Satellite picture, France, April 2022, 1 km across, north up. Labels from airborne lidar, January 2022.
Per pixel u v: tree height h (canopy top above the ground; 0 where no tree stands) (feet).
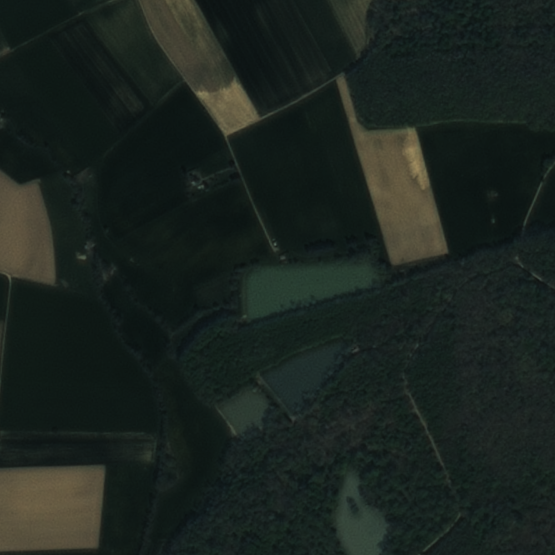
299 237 0
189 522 58
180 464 0
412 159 0
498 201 0
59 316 0
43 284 0
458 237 0
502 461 56
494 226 0
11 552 0
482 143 0
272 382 0
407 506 93
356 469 80
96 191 0
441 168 0
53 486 0
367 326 48
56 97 0
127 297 0
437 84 70
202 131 0
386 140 0
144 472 0
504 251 64
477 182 0
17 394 0
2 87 0
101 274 64
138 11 0
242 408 0
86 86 0
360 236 0
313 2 0
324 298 0
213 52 0
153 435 0
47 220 0
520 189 0
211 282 0
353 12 0
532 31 67
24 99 0
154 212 0
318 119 0
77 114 0
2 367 0
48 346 0
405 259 0
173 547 71
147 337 0
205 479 0
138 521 0
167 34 0
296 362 0
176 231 0
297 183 0
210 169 0
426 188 0
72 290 0
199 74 0
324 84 0
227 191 0
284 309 33
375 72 71
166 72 0
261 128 0
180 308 0
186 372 67
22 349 0
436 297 75
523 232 0
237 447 70
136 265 0
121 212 0
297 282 0
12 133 0
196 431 0
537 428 72
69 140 0
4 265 0
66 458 0
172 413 0
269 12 0
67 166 0
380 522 0
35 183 0
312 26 0
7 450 0
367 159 0
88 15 0
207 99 0
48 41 0
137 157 0
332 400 41
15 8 0
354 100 48
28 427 0
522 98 72
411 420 51
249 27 0
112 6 0
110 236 0
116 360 0
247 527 84
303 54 0
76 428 0
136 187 0
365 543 0
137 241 0
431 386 42
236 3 0
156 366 0
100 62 0
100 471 0
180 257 0
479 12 82
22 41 0
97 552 0
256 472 104
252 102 0
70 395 0
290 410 0
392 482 90
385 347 48
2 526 0
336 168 0
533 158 0
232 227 0
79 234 0
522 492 23
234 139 0
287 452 70
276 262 0
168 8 0
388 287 31
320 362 0
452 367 50
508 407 77
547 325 77
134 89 0
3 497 0
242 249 0
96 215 0
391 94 72
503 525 85
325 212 0
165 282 0
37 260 0
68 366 0
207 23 0
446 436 43
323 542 74
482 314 74
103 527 0
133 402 0
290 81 0
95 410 0
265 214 0
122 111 0
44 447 0
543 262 67
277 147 0
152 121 0
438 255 0
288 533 85
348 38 0
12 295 0
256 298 0
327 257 0
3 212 0
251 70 0
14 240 0
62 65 0
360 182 0
